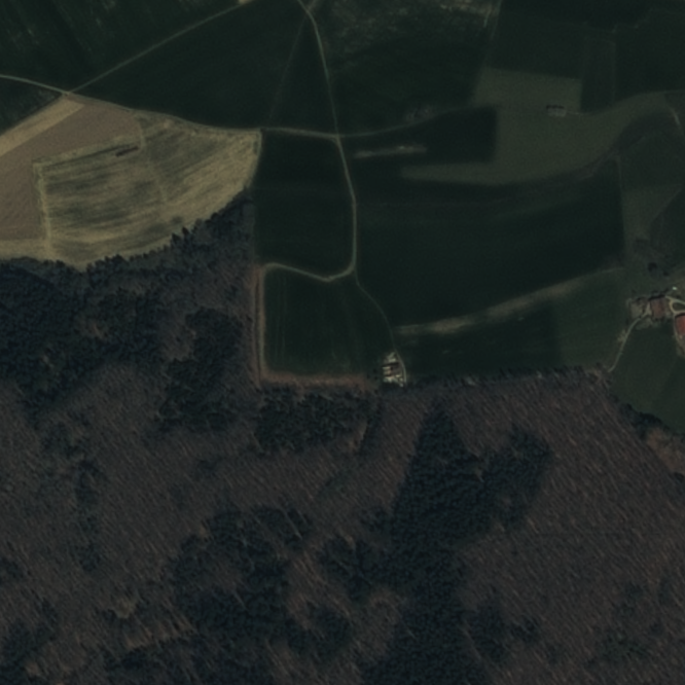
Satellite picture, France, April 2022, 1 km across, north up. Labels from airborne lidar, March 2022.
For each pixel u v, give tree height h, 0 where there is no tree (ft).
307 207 0
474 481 58
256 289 93
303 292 0
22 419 94
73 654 78
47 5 0
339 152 0
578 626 86
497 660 90
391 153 0
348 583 108
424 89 0
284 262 0
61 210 0
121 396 82
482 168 0
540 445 91
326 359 0
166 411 27
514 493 77
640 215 0
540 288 0
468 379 0
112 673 71
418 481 88
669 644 83
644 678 88
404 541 90
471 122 0
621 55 0
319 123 0
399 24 0
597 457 94
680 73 0
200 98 0
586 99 0
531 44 0
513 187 0
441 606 90
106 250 0
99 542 87
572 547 88
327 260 0
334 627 128
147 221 0
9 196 0
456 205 0
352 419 27
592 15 0
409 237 0
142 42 0
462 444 81
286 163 0
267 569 25
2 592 81
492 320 0
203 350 34
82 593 83
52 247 0
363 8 0
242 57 0
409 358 0
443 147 0
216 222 43
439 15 0
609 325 0
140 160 0
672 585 75
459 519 100
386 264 0
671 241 0
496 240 0
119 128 0
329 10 0
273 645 29
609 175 0
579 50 0
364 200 0
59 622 84
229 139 0
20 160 0
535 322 0
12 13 0
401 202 0
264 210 0
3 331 103
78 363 30
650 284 0
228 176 0
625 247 0
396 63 0
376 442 69
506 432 72
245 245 83
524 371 0
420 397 78
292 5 0
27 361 114
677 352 0
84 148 0
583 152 0
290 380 66
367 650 86
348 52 0
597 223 0
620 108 0
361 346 0
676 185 0
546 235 0
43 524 74
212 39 0
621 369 0
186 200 0
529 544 80
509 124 0
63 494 86
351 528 85
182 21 0
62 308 122
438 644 90
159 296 41
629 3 0
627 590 70
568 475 91
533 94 0
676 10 0
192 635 24
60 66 0
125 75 0
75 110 0
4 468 73
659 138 0
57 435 84
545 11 0
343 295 0
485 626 92
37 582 86
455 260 0
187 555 74
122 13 0
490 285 0
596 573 93
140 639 88
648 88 0
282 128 0
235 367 85
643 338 0
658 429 104
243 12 0
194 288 88
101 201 0
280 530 76
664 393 0
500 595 73
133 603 81
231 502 72
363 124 0
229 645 106
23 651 82
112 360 118
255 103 0
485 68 0
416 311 0
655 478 87
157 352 73
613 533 79
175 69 0
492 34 0
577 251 0
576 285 0
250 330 85
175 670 56
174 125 0
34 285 100
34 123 0
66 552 83
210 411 44
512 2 0
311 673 86
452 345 0
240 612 93
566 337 0
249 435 75
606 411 89
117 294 36
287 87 0
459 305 0
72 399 82
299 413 33
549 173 0
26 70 0
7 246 0
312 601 94
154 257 44
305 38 0
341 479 77
